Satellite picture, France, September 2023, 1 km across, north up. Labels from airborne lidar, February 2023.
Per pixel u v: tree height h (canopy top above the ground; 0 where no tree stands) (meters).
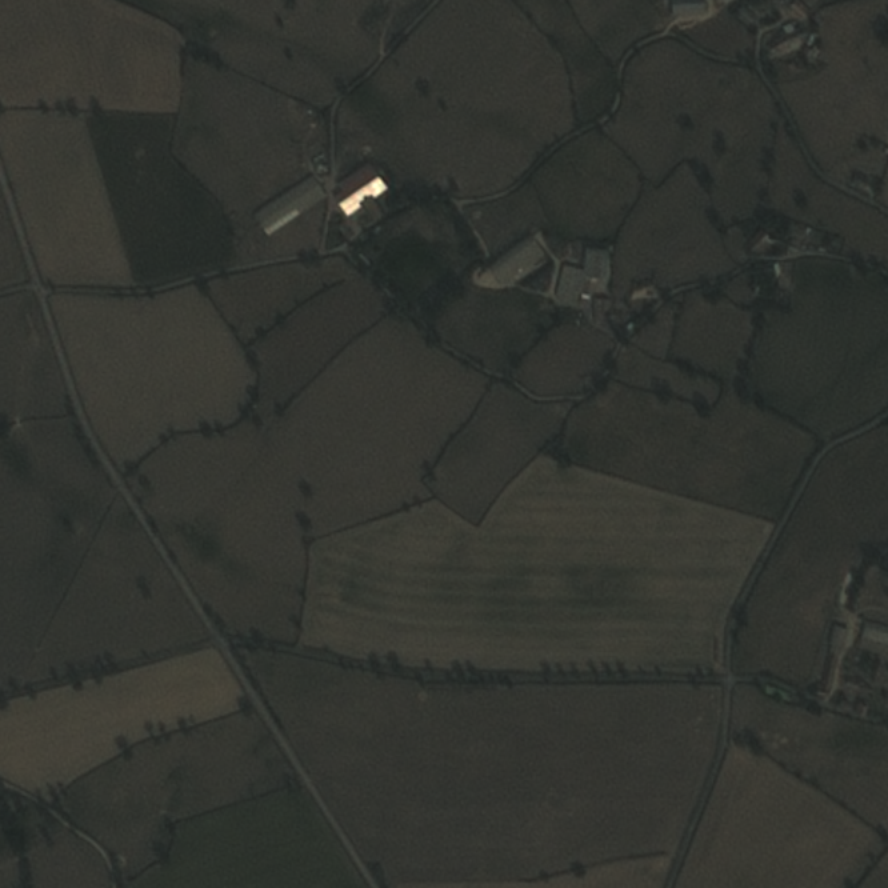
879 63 0
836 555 0
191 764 0
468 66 0
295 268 0
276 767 0
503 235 0
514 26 0
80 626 0
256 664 0
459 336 0
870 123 0
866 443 0
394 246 0
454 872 0
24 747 0
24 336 0
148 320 0
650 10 0
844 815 0
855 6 0
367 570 0
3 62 0
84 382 0
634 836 0
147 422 0
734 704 0
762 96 0
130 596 0
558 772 0
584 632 0
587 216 0
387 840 0
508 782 0
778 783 0
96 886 0
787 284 0
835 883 0
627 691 0
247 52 0
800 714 0
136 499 8
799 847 0
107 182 0
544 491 0
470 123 0
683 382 0
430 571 0
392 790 0
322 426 0
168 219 0
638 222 0
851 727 0
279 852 0
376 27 0
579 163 0
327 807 0
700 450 0
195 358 0
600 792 0
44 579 0
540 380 0
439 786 0
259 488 0
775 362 0
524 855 0
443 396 0
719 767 0
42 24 0
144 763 0
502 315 0
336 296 0
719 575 0
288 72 0
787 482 0
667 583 0
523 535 0
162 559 0
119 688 0
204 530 0
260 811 0
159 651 0
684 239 0
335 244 0
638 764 0
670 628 0
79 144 0
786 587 0
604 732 0
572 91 11
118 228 0
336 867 0
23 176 0
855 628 0
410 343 0
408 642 0
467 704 0
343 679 0
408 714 0
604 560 0
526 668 0
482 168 0
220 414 0
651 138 0
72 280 0
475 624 0
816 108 0
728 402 0
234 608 0
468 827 0
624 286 0
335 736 0
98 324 0
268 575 0
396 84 0
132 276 0
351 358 0
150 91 0
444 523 0
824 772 0
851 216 0
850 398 0
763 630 0
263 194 0
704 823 0
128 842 0
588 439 0
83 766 0
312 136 0
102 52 0
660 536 0
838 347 0
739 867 0
